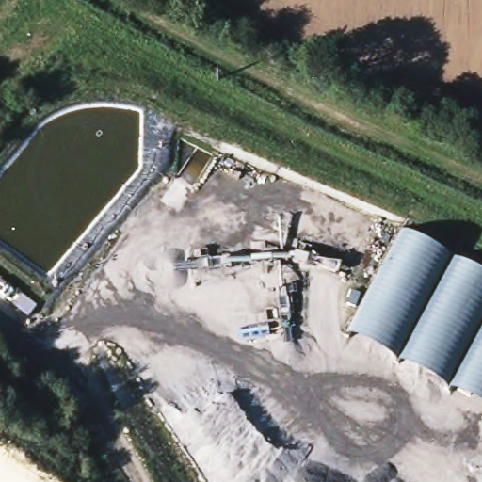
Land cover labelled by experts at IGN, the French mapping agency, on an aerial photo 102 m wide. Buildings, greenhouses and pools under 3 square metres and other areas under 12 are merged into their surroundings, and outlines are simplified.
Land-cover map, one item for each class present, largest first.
<instances>
[{"label":"pervious surface","instance_id":"1","mask_svg":"<svg viewBox=\"0 0 482 482\"><path fill-rule=\"evenodd\" d=\"M166 203L162 211H149V207L143 201L139 203L134 215H130L122 224L119 243L111 249L109 258L98 262V267L92 271L90 281L77 269H73L66 277H58L56 286H51L47 273L36 275L19 258L9 254L8 245L0 243V341L8 348L9 354L15 356L19 365L36 358L47 373H51L68 388L75 403L73 420L83 429H87V458L90 467L98 471L104 482H153L143 458L139 456L134 442L130 439V429L120 426L119 420L113 418L115 410L126 412L130 407L137 405L143 397L147 409L160 420H164L166 429L171 431L173 439L179 442L177 458L186 463L190 476L200 482H482V397L473 394L471 397H465L459 394L458 390L450 392L446 380L439 377L433 369H429L427 373L418 371L416 361H399L388 346L378 343L371 337H360L358 333L356 337H348V331L354 314L360 309L371 279L377 275L378 265L384 262L399 230L410 228L416 232L426 233L435 241H439L442 247L450 250L454 256H465L482 264V230L471 220H433L412 224L405 222L392 224L384 217L369 215L354 205H348L346 201L316 192L307 186L296 185L292 181H286L281 188H275L271 183L250 188L249 177L233 169H224V173L217 171L215 160L211 158L205 164V168L201 169L200 177L185 175L183 179L171 181V186L162 198ZM0 482H60L53 474L38 469L24 456L23 450L15 446H4L0 442Z\"/></svg>","mask_w":482,"mask_h":482},{"label":"herbaceous vegetation","instance_id":"2","mask_svg":"<svg viewBox=\"0 0 482 482\"><path fill-rule=\"evenodd\" d=\"M6 79H15L24 88L34 92V104L17 111L0 136V166H4V162L15 153V149L32 132V128L40 124V120L49 117L58 109L83 102H122L141 105L143 109H153L156 113H164V120H171L173 124V132L186 136L188 130L194 128L196 132L205 136L239 145L243 151L262 156L269 162L281 164L284 168H290L322 185L333 186L354 198H360L377 205L380 209L401 215L405 217V222L412 224L433 220H471L482 230V200L467 196L465 192L452 186L442 185L439 181L424 175L420 169L410 168L394 158H386L382 154L367 151L356 143L333 136L322 128L311 126L299 117L281 111L277 105L269 104L264 98L250 94L239 85H235L232 79H222L218 70L203 68L200 62L188 58L183 51H173L166 43L145 38L136 26L115 19L113 15L105 13L104 9L98 8L92 0H0V83H4ZM143 21L160 26L164 32H169L175 38H183L188 45L200 49L205 55L218 58L233 68H243V64H247L243 58V47L233 43L232 38L200 36L188 24L171 23L156 13L145 11V15L141 17ZM256 79H262L267 85L279 88L299 104L311 107L318 117L337 122V126L343 132H356L375 141L392 143L403 153L416 156L439 168L448 169V173L482 186V173H476L473 166L463 162L452 151L444 149L442 141H420L416 137H410L405 130L397 128L392 122H384L367 113L363 102L350 104L348 88L345 85L322 83L309 75L307 66L290 72L281 70L279 60H269L267 66L250 68L247 72ZM113 418L119 420L120 426L130 429V439L134 442L139 456L143 458L153 482H200L190 476L186 463L177 458L179 442L173 439L171 431L166 429L164 420H160L147 409L143 397L137 405L130 407L126 412L115 410Z\"/></svg>","mask_w":482,"mask_h":482},{"label":"brushwood","instance_id":"3","mask_svg":"<svg viewBox=\"0 0 482 482\"><path fill-rule=\"evenodd\" d=\"M98 8L104 9L105 13L113 15L115 19L136 26L145 38L166 43L173 51H183L188 58L200 62L203 68L218 70L222 79H232L235 85H239L250 94L264 98L269 104L277 105L281 111L299 117L311 126L322 128L333 136L356 143L367 151L382 154L386 158H394L410 168L420 169L424 175L439 181L442 185L452 186L465 192L467 196L482 200V186L448 173V169L439 168L416 156L403 153L392 143L375 141L356 132H343L337 126V122L318 117L311 107L299 104L279 88L267 85L262 79H256L247 72L250 68L267 66L269 60H279L281 70L290 72L307 66L309 75L322 83L345 85L348 88L350 104L363 102L367 113L384 122H392L397 128L405 130L410 137H416L420 141H442L444 149L452 151L463 162L473 166L476 173H482V111L463 109L452 98H442L441 104L431 109L424 100H418L405 88L394 90L392 87H382L380 81H375L373 77H365L361 72L360 58L352 60V56L346 53L343 36L346 32L341 28L329 30L328 34L322 36L305 38L301 43L294 45L290 41H279L264 45L258 40V32L250 26L249 19H239L237 23L232 24L217 21L209 26L201 23L205 9L203 0H92ZM145 11L156 13L171 23L188 24L200 36L232 38L233 43L243 47V58L247 64H243V68H233L218 58L205 55L200 49L188 45L183 38H175L169 32H164L160 26L143 21L141 17L145 15ZM34 104V92L24 88L15 79H6L4 83H0V136L17 111ZM75 403L68 388L51 373H47L36 358L19 365L15 356L9 354L8 348L0 341V442L4 446H15L23 450L24 456L38 469L53 474L60 482H104L98 471L90 467L87 458V429H83L73 420Z\"/></svg>","mask_w":482,"mask_h":482},{"label":"agricultural land","instance_id":"4","mask_svg":"<svg viewBox=\"0 0 482 482\"><path fill-rule=\"evenodd\" d=\"M205 9L201 23L209 26L217 21L232 24L237 23L239 19H249L250 26L258 32V40L264 45L279 41H290L294 45L301 43L305 38L322 36L328 34L329 30L341 28L346 32L343 36L346 53L352 56V60L360 58L361 72L365 77H373L375 81H380L382 87H392L394 90L405 88L418 100H424L431 109L441 104L442 98H452L463 109L482 111V0H203Z\"/></svg>","mask_w":482,"mask_h":482},{"label":"water","instance_id":"5","mask_svg":"<svg viewBox=\"0 0 482 482\"><path fill-rule=\"evenodd\" d=\"M137 113L98 107L75 111L53 120L45 128H41L36 139L21 154V158L0 179V243L8 245L9 254L19 258L36 275L47 273L137 168Z\"/></svg>","mask_w":482,"mask_h":482},{"label":"building","instance_id":"6","mask_svg":"<svg viewBox=\"0 0 482 482\"><path fill-rule=\"evenodd\" d=\"M358 333L360 337H371L378 343L388 346L399 361H416L418 371L427 373L429 369H433L439 377L446 380L450 392L458 390L459 394L465 397H471L473 394L482 397V264L465 256H454L450 250L442 247L439 241H435L426 233L416 232L410 228L399 230L384 262L378 265L377 275L371 279L360 309L354 314L348 331V337H356Z\"/></svg>","mask_w":482,"mask_h":482},{"label":"impervious surface","instance_id":"7","mask_svg":"<svg viewBox=\"0 0 482 482\"><path fill-rule=\"evenodd\" d=\"M98 107L137 113V168L47 273L51 286H56L58 277H66L73 269H77L90 281L92 271L98 267V262L109 258L111 249L119 243L122 224L130 215H134L139 203L143 201L149 207V211H162L166 203L162 198L171 186V181L183 179L185 175L200 177L201 169L205 168V164L211 158L215 160L217 171L224 173V169H233L249 177L250 188L271 183L275 188H281L286 181H292L296 185L307 186L316 192L346 201L348 205H354L369 215L384 217L392 224L405 222V217L401 215L380 209L377 205L360 198H354L333 186L322 185L290 168H284L281 164L269 162L262 156L243 151L239 145L205 136L196 132L194 128L188 130L186 136L173 132V124L171 120H164V113H156L153 109H143L141 105L122 102H83L58 109L49 117L40 120V124L32 128V132L15 149V153L4 162V166H0V179L21 158V154L36 139L41 128H45L53 120L75 111Z\"/></svg>","mask_w":482,"mask_h":482}]
</instances>
